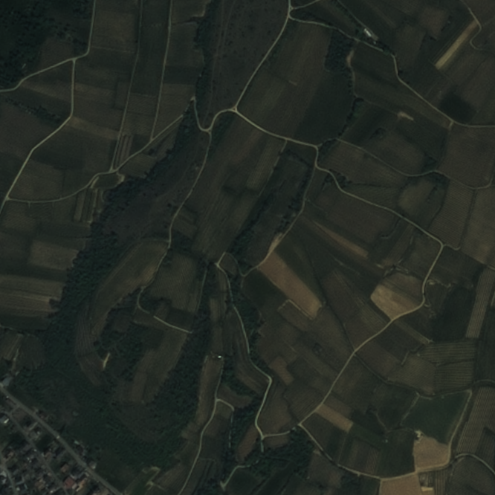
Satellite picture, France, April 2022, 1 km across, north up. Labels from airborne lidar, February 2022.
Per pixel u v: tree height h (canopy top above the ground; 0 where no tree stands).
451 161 0
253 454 8
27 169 0
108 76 0
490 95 0
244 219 0
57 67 0
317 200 0
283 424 0
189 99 0
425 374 0
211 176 0
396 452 0
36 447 0
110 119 0
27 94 0
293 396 0
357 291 0
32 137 0
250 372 0
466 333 0
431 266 0
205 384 0
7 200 0
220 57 0
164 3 0
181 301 0
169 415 0
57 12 0
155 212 0
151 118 0
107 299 0
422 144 0
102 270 9
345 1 0
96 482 0
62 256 0
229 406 0
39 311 0
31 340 0
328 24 7
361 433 0
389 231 0
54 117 5
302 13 7
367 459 0
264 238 0
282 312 0
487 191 0
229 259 0
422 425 0
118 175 0
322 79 0
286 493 0
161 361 0
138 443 7
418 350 0
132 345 7
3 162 0
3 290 0
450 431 0
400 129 0
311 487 0
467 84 0
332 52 11
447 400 0
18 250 0
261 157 0
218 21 0
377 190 0
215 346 0
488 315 0
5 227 0
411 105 0
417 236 0
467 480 0
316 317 0
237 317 0
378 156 0
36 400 7
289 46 0
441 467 0
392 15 0
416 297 0
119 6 0
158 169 7
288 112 0
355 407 0
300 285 0
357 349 0
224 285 0
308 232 0
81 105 0
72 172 0
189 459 0
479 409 0
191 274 0
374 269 0
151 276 0
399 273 0
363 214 0
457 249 0
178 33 0
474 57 0
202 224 0
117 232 0
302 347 0
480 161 0
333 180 6
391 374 0
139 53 0
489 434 0
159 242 0
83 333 0
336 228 0
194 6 0
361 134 0
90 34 0
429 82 0
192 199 0
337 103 0
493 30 0
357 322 0
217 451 0
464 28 0
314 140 0
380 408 0
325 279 0
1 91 0
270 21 0
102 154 0
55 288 0
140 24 0
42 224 0
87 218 0
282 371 0
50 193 0
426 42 7
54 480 0
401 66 0
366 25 0
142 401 0
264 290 0
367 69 0
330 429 0
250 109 0
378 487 0
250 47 0
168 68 0
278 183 0
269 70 0
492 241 0
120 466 0
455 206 0
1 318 0
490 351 0
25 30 6
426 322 0
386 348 0
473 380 0
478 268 0
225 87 0
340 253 0
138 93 0
